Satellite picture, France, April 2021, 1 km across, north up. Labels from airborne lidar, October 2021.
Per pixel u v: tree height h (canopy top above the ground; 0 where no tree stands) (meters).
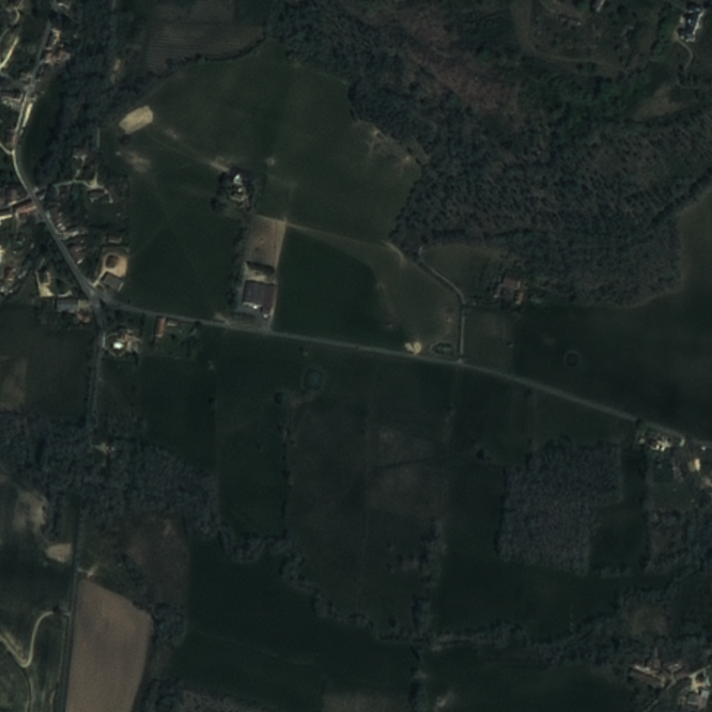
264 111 0
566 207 21
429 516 0
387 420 0
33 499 0
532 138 17
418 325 0
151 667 0
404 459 0
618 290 17
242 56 9
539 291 0
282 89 0
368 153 0
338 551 0
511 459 0
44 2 6
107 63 23
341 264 0
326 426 0
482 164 18
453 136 16
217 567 0
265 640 0
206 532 24
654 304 0
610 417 0
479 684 0
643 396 0
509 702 0
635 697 9
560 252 14
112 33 14
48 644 0
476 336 0
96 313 0
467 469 0
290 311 0
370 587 0
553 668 11
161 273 0
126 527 0
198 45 0
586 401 0
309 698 0
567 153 21
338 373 0
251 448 0
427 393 0
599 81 7
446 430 0
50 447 20
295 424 0
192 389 0
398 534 0
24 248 0
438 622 0
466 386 0
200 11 0
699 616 14
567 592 0
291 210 0
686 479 16
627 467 0
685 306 0
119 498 20
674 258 21
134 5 0
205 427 0
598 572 17
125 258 0
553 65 7
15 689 0
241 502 0
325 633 0
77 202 6
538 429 0
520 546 17
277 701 0
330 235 0
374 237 0
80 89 19
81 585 0
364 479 0
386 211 0
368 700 0
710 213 0
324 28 21
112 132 0
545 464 16
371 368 0
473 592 0
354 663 0
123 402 0
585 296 20
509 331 0
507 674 0
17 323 0
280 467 0
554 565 23
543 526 22
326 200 0
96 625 0
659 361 0
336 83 0
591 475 25
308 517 0
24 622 0
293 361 0
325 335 0
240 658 0
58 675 0
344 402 0
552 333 0
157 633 14
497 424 0
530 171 24
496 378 0
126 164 0
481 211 23
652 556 12
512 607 0
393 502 0
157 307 0
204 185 0
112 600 0
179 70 18
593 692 0
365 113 18
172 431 0
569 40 11
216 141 0
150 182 0
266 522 0
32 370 0
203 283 0
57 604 0
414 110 20
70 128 21
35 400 0
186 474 15
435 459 0
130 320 9
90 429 16
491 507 0
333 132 0
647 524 9
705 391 0
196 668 0
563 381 0
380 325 0
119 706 0
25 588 0
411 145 14
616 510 0
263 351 0
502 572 0
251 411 0
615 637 6
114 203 0
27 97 0
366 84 17
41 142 0
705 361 0
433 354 0
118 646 0
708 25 6
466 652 0
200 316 0
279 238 0
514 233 8
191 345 14
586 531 26
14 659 13
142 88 18
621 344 0
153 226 0
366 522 0
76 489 13
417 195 10
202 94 0
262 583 0
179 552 0
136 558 0
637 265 21
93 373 13
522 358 0
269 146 0
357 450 0
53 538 11
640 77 19
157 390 0
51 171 19
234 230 0
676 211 21
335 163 0
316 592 6
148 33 0
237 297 11
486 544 0
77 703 0
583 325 0
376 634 14
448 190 12
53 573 0
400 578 0
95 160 6
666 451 0
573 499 25
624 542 0
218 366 0
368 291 0
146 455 21
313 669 0
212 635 0
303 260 0
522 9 0
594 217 21
